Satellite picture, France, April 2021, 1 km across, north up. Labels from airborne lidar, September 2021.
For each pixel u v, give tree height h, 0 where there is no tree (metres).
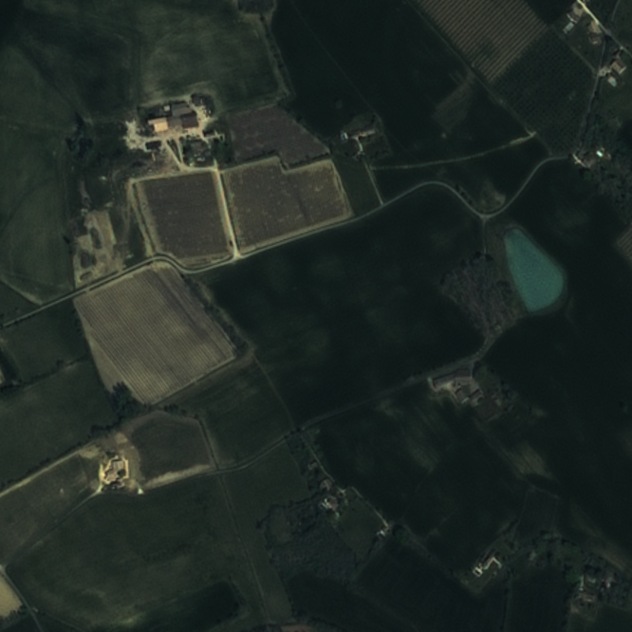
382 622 0
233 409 0
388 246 0
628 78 0
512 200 0
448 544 0
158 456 0
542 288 0
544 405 0
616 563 0
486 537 0
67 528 0
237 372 0
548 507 0
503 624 6
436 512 0
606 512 0
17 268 0
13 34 0
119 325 0
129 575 0
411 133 0
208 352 0
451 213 0
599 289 0
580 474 0
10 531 0
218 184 0
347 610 0
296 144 0
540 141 0
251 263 0
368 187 0
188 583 0
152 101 0
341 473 0
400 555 0
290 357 0
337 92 0
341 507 8
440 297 0
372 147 0
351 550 7
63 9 0
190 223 0
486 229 0
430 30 0
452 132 0
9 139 0
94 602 0
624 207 15
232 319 0
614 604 19
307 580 0
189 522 0
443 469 0
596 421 0
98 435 18
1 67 0
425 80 0
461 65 0
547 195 0
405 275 0
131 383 0
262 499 0
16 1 0
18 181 0
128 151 0
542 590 0
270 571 0
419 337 0
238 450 0
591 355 0
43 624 0
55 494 0
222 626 11
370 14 0
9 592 0
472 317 17
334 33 0
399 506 0
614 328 0
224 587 0
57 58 0
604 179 17
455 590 0
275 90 0
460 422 0
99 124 0
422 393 0
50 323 0
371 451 0
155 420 0
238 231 0
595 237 0
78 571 0
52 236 0
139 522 0
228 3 0
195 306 0
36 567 0
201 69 0
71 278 0
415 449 0
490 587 0
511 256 0
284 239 0
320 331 0
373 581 0
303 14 0
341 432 0
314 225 0
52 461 9
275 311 0
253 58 0
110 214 0
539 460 0
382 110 0
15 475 0
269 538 6
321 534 10
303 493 0
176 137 0
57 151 0
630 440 0
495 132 0
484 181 0
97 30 0
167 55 0
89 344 0
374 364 0
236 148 0
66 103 0
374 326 0
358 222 0
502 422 0
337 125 0
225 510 0
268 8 20
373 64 0
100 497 0
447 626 0
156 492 0
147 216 0
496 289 22
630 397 0
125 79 0
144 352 0
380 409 0
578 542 0
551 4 0
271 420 0
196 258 0
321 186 0
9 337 0
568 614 10
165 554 0
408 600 0
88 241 0
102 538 0
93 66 0
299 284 0
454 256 0
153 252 0
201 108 0
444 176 0
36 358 0
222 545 0
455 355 0
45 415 0
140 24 0
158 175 0
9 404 0
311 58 0
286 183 0
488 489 0
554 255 0
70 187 0
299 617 10
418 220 0
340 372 0
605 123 9
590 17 0
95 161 0
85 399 0
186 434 0
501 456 0
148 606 0
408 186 0
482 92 0
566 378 0
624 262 0
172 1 0
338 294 0
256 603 0
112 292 0
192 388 0
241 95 0
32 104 0
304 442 14
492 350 0
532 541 0
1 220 0
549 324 0
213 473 0
